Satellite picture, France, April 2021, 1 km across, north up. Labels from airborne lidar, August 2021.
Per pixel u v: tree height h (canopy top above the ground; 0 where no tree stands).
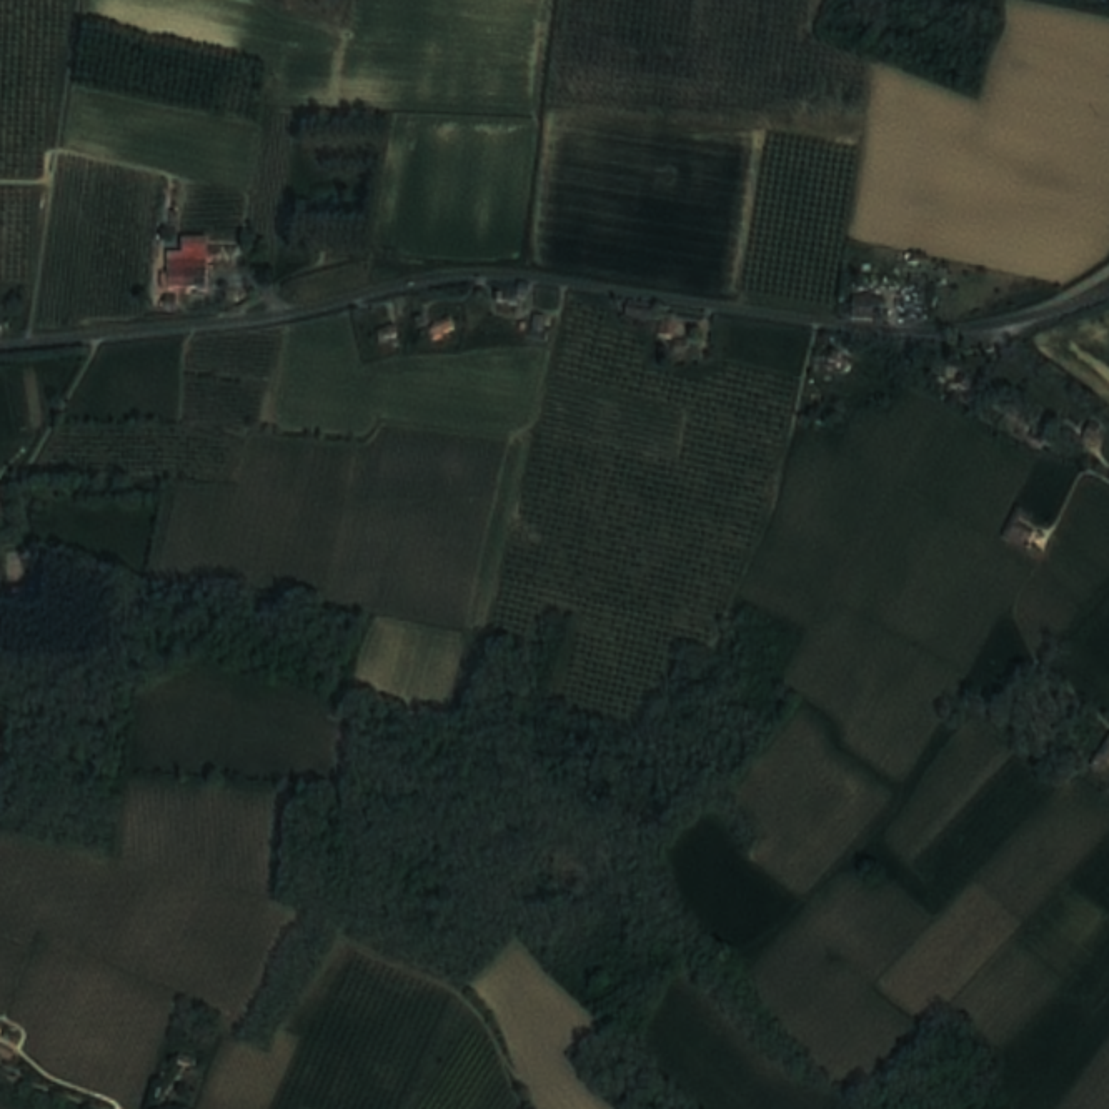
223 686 0
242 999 0
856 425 0
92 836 13
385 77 0
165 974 0
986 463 0
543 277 0
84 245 0
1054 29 0
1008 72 0
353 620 17
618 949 6
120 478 16
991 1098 21
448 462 0
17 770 18
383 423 0
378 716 23
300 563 0
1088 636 0
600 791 14
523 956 0
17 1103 13
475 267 0
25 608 20
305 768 0
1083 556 0
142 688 17
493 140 0
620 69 21
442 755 15
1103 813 0
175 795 0
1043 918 0
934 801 0
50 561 20
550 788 18
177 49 20
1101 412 20
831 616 0
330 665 25
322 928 15
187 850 0
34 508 9
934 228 0
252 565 0
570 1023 0
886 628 0
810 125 0
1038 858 0
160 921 0
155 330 0
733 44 21
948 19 12
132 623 24
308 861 17
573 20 16
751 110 20
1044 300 0
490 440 0
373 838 21
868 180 0
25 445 0
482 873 21
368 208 24
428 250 0
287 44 0
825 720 0
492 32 0
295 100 0
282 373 0
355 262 10
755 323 0
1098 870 0
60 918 0
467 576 0
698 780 18
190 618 25
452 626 0
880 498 0
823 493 0
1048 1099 0
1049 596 0
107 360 0
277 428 9
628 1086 19
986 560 0
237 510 0
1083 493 0
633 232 0
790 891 0
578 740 8
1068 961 0
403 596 0
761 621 8
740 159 0
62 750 23
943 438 0
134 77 19
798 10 19
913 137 0
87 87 16
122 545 0
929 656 0
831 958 0
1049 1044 0
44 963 0
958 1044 23
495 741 24
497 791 22
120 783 7
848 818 0
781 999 0
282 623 24
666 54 20
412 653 0
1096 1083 0
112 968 0
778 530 0
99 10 0
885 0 13
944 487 0
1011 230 0
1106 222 0
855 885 0
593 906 12
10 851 0
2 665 24
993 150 0
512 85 0
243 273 14
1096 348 0
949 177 0
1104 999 0
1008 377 0
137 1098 0
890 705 0
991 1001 0
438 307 0
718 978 25
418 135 0
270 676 12
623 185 0
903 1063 19
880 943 0
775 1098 0
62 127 0
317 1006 0
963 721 16
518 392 0
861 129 0
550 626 11
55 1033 0
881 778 0
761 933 0
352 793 20
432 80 0
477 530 0
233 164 0
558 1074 0
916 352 17
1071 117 0
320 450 0
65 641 21
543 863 11
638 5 17
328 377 0
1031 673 23
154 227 6
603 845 17
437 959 15
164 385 0
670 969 11
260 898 0
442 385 0
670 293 0
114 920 0
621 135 0
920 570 0
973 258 0
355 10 0
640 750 22
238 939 0
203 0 0
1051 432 18
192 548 0
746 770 12
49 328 0
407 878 17
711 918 0
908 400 0
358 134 23
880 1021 0
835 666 0
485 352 0
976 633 0
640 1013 13
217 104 19
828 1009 0
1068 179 0
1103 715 9
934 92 0
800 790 0
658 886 22
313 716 0
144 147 0
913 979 0
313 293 0
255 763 0
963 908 0
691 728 15
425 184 0
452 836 18
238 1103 0
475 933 16
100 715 21
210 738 0
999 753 0
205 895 0
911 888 0
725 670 12
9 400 0
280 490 0
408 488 0
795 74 22
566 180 0
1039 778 13
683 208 0
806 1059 17
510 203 0
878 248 0
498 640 17
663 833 23
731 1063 0
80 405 0
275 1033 12
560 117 0
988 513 0
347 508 0
